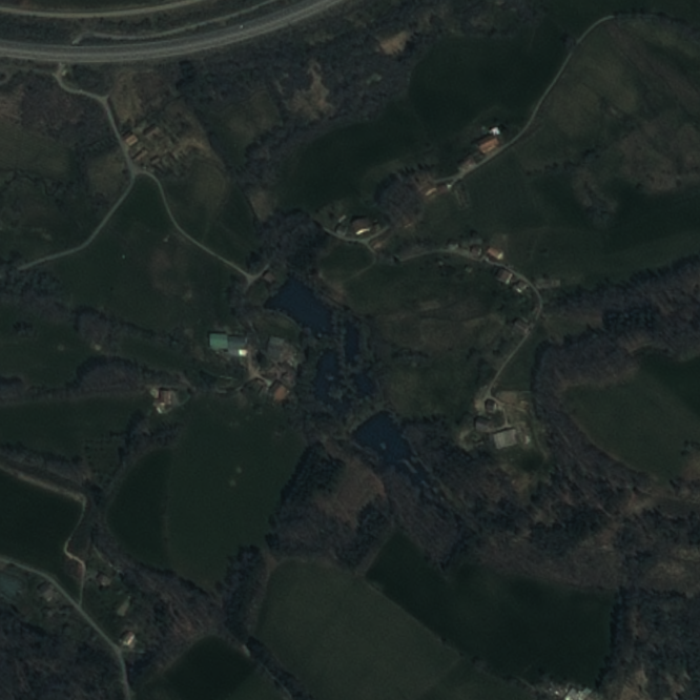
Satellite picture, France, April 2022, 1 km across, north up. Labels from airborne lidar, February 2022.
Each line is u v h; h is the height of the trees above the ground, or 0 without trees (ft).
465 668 0
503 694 0
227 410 0
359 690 0
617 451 0
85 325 83
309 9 0
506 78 0
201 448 0
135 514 0
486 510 60
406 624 0
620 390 0
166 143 0
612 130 0
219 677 0
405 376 0
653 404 0
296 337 0
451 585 0
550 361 78
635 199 0
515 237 0
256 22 0
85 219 0
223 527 0
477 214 0
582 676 0
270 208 0
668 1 0
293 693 99
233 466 0
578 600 0
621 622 65
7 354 0
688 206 0
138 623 26
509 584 0
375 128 0
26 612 0
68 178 0
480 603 0
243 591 96
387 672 0
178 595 96
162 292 0
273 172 60
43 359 0
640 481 66
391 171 0
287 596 0
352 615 0
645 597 62
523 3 17
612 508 62
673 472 0
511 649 0
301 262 52
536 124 0
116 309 0
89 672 20
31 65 28
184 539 0
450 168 0
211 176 0
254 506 0
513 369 0
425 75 0
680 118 0
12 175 0
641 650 73
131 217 0
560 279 0
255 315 85
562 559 54
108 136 33
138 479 0
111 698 26
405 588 0
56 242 0
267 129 0
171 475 0
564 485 92
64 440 0
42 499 0
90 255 0
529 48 0
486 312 0
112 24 29
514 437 0
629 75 0
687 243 0
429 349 0
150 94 0
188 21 31
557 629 0
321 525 83
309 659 0
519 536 67
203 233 0
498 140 0
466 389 0
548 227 0
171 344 40
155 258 0
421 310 0
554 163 0
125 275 0
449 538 93
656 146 0
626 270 0
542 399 90
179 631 106
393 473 105
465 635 0
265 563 84
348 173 0
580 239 0
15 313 0
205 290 0
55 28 33
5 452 56
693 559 0
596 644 0
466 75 0
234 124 0
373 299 0
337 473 72
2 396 94
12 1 91
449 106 0
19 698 62
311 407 68
